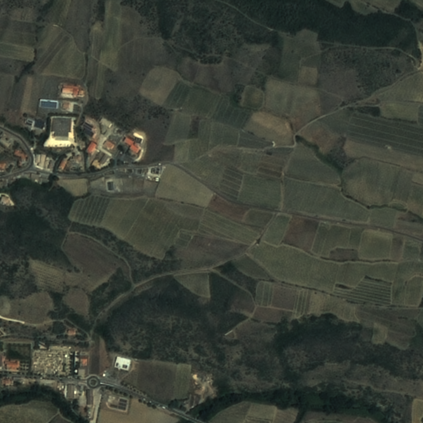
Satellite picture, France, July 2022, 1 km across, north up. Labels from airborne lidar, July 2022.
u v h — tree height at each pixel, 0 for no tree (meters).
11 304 0
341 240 0
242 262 0
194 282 0
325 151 0
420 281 0
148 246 0
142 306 0
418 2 0
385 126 0
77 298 0
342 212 0
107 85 0
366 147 0
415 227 0
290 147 0
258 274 0
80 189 0
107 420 0
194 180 0
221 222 0
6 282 0
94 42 0
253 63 0
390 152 0
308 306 0
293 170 0
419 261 0
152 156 0
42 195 0
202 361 0
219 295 0
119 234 0
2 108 0
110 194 0
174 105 0
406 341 0
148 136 0
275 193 0
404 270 0
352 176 0
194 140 0
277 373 0
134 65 0
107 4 0
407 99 0
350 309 0
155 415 0
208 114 0
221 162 0
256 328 0
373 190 0
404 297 0
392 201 0
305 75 0
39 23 0
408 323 0
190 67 0
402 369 0
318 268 0
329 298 0
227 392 8
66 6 0
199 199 0
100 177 0
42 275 0
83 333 8
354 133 0
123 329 0
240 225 0
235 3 6
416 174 0
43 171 0
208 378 0
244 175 0
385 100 0
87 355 0
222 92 0
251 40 6
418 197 0
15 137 0
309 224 0
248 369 0
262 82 0
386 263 0
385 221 0
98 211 0
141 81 0
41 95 0
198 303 0
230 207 0
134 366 0
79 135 8
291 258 0
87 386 0
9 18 0
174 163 0
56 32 0
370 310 0
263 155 0
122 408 0
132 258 0
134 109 0
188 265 0
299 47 0
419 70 0
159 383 0
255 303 0
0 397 6
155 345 0
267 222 0
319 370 0
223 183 0
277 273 0
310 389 9
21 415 0
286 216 0
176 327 0
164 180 0
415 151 0
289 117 0
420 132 0
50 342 8
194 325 0
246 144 0
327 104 0
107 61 0
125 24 0
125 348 0
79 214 0
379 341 0
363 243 0
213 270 0
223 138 0
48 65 0
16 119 0
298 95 0
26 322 0
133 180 0
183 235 0
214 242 0
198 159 0
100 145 0
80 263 0
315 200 0
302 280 0
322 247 0
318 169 0
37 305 0
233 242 0
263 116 0
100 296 0
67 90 0
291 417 0
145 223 0
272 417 0
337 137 0
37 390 15
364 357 0
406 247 0
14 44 0
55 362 0
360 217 0
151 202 0
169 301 6
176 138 0
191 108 0
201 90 0
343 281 0
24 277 0
